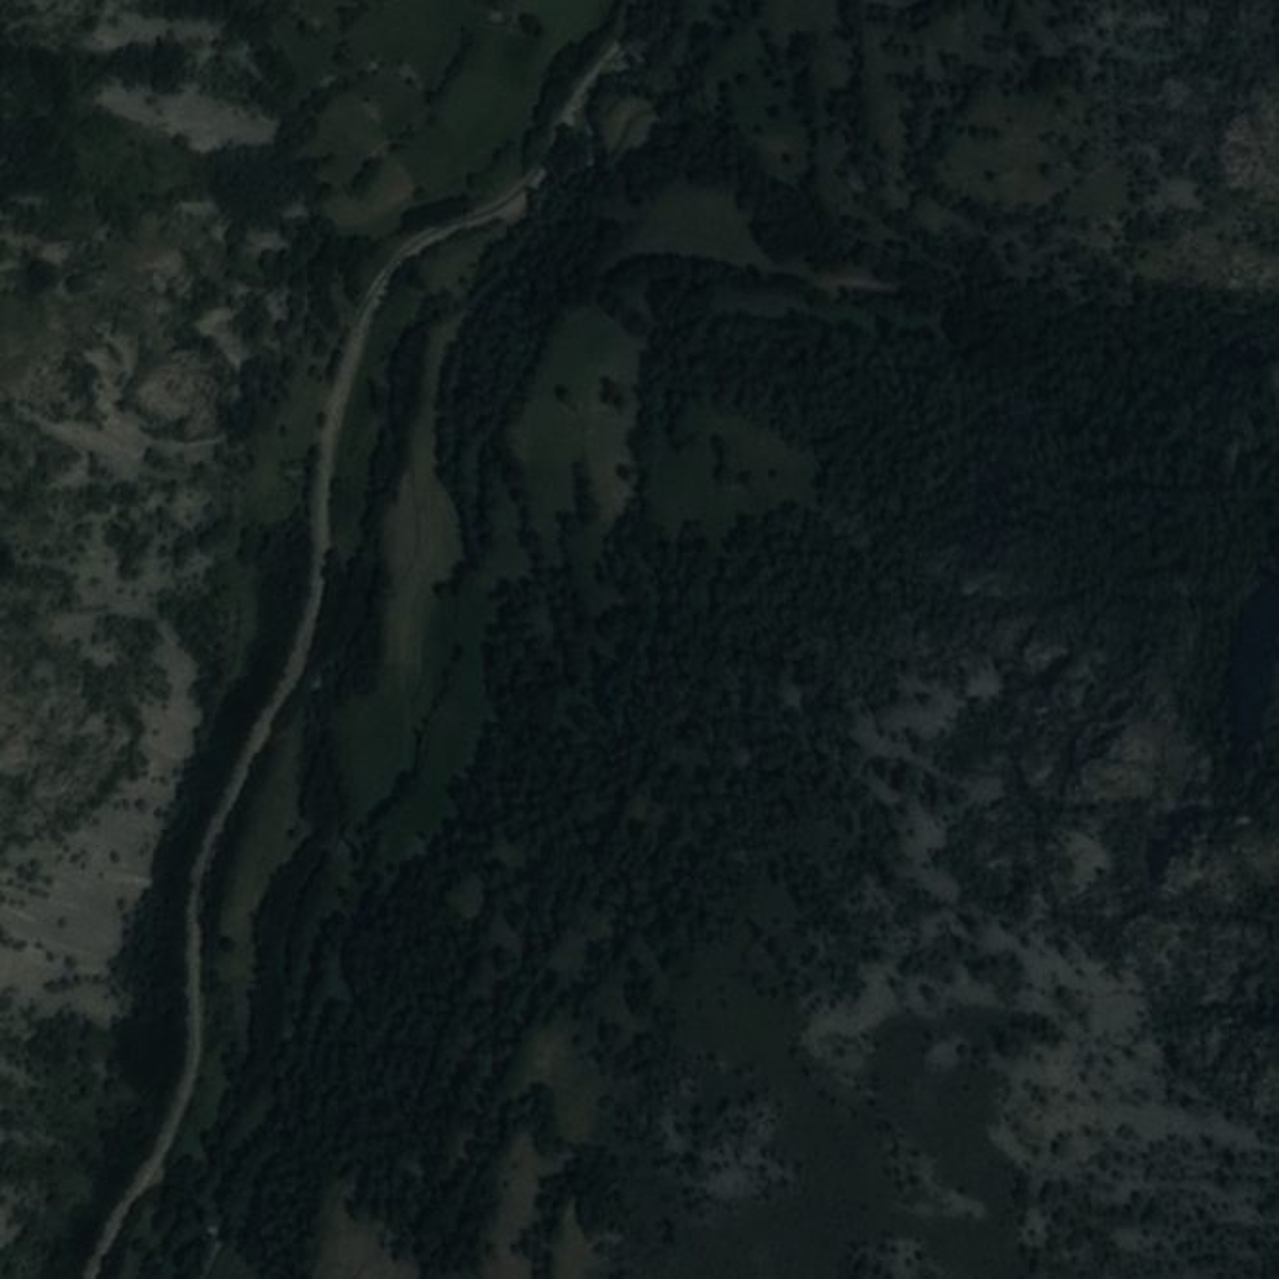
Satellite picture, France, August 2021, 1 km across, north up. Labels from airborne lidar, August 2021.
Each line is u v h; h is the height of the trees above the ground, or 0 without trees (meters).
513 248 19
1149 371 18
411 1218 10
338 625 8
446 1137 19
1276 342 10
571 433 0
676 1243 12
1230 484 23
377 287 0
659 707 21
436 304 17
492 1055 9
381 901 15
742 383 18
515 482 18
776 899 0
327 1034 14
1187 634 8
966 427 8
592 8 0
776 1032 0
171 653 0
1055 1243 8
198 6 17
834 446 16
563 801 10
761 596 20
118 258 0
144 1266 10
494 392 18
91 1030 13
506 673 16
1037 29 0
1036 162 0
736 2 13
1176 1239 9
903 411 16
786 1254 0
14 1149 10
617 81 11
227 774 15
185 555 9
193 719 0
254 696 15
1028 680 7
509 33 0
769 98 0
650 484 18
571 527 18
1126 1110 0
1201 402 11
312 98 7
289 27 0
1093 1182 9
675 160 17
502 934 0
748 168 25
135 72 18
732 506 0
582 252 20
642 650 21
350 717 0
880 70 0
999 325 22
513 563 0
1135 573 6
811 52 18
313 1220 15
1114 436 7
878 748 0
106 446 0
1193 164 10
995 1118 0
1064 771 5
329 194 14
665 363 15
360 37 0
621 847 20
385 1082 18
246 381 16
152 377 0
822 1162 0
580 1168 13
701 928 7
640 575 14
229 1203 14
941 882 0
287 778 0
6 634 6
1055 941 6
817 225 23
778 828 17
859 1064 0
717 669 18
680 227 0
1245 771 6
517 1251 10
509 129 0
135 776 6
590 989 8
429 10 0
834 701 13
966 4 11
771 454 0
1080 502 7
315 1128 17
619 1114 6
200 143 0
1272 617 7
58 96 15
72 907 0
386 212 0
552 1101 14
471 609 0
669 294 21
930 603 7
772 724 18
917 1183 10
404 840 0
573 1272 0
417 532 0
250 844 0
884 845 6
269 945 16
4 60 18
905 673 10
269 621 12
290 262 15
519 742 14
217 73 6
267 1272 8
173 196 6
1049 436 8
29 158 16
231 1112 12
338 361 13
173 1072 16
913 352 26
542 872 20
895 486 7
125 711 8
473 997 15
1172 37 6
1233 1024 7
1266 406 9
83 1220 12
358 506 0
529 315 20
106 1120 15
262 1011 11
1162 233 8
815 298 17
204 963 6
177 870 15
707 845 6
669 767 7
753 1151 0
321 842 9
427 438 0
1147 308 19
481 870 13
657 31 23
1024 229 12
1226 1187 14
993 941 0
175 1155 8
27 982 0
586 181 18
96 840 0
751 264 0
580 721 19
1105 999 0
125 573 11
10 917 0
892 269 25
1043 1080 0
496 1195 14
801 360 8
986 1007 0
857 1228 0
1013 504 6
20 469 6
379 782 0
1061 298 16
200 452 0
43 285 16
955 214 12
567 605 15
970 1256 0
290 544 12
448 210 15
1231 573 8
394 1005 18
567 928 16
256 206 16
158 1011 18
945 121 12
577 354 0
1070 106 9
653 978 7
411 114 0
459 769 0
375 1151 17
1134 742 0
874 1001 0
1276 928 7
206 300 7
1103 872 8
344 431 0
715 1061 8
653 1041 9
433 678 0
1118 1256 7
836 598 12
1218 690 11
